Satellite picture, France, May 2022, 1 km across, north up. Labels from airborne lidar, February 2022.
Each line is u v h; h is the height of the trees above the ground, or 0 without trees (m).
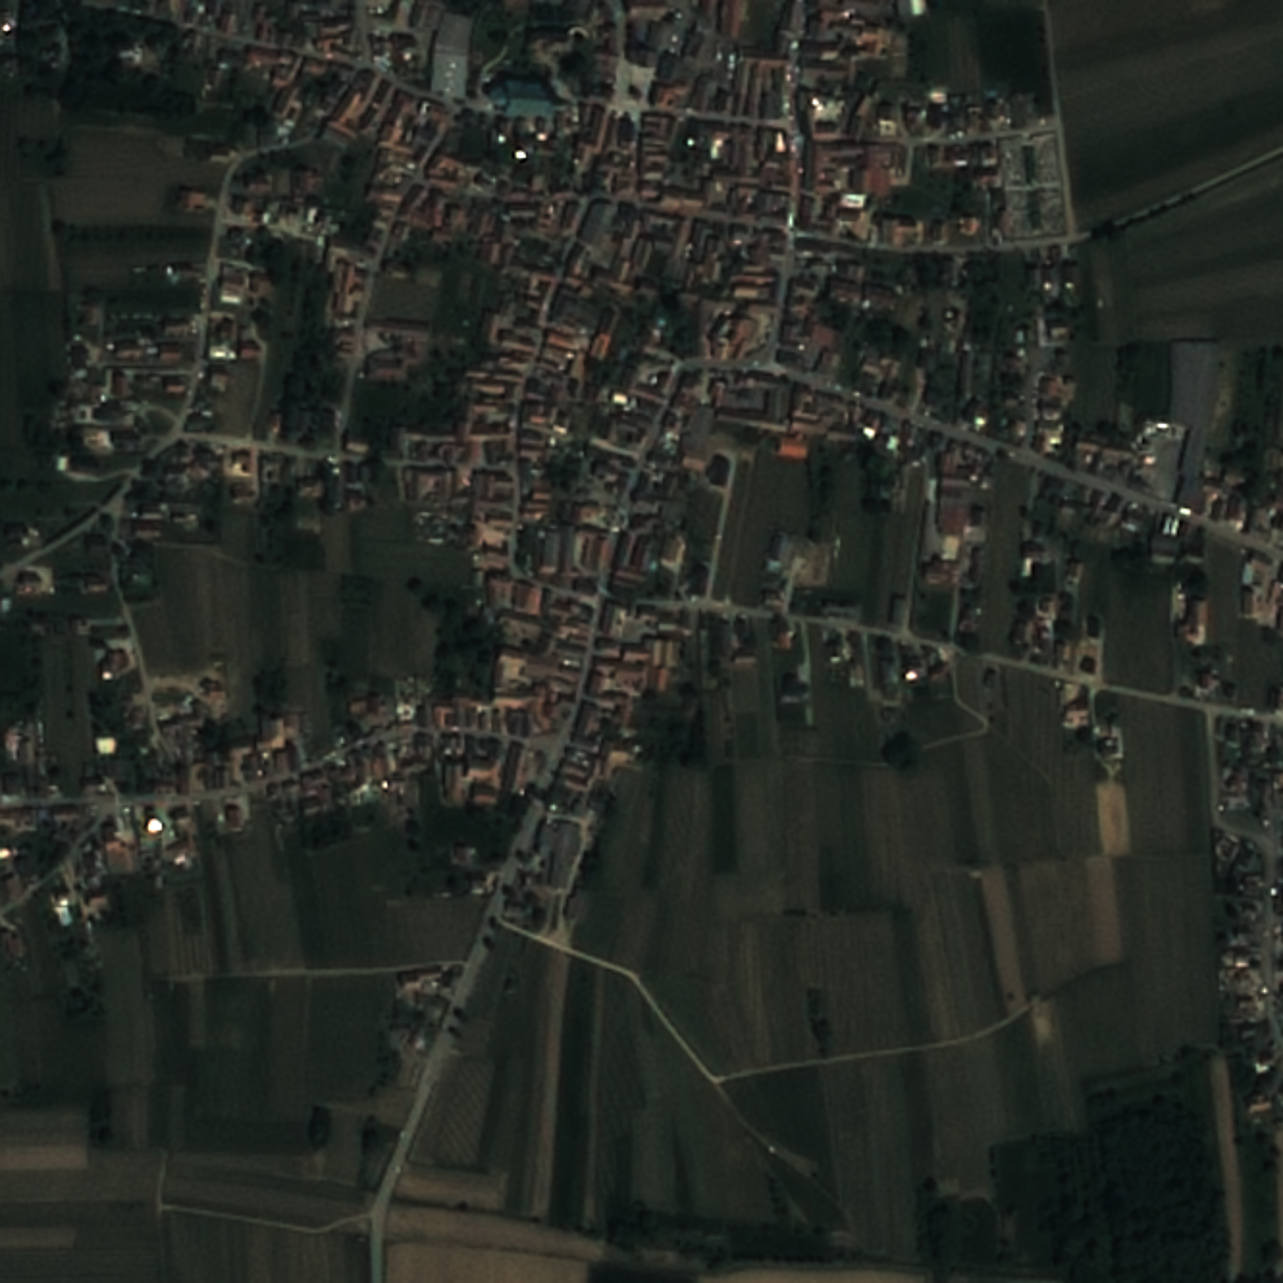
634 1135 0
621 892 0
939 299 0
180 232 0
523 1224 0
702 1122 0
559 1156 0
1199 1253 14
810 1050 0
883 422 0
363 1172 0
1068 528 0
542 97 0
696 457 0
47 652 0
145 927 0
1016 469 0
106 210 0
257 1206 0
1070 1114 0
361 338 0
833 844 0
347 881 0
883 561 0
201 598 0
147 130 0
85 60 15
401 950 0
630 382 0
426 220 0
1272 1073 7
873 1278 0
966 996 0
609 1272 0
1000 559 0
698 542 0
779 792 0
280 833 0
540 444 0
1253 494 12
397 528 0
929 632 0
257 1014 0
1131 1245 17
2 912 0
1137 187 0
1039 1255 0
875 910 0
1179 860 0
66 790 0
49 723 0
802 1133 0
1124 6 0
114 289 0
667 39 0
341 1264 0
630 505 0
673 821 0
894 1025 0
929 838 0
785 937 0
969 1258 0
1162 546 0
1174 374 0
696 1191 0
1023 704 0
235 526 0
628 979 0
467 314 0
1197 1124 13
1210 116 0
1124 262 0
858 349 0
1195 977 0
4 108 0
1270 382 0
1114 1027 0
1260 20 0
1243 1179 0
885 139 0
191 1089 0
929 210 0
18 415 0
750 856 0
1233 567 0
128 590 7
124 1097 0
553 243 0
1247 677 0
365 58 0
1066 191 0
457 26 0
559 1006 0
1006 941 0
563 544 0
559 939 0
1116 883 0
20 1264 0
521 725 0
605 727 11
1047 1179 0
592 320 0
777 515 0
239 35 0
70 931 0
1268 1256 9
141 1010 0
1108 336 0
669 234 0
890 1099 0
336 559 0
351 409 0
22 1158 0
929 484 0
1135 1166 17
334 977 0
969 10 0
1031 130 0
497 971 0
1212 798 0
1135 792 0
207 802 0
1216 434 0
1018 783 0
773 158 0
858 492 0
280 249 15
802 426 0
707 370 0
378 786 0
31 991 0
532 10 7
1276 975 0
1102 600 0
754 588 0
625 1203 0
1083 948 0
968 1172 0
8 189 0
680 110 0
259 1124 0
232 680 0
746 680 0
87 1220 0
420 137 0
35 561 0
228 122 0
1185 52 0
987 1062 0
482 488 0
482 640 11
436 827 0
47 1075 0
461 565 0
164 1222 0
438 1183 0
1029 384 0
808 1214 0
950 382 0
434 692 0
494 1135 0
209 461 0
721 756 0
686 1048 0
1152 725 0
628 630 0
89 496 0
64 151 7
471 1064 0
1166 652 0
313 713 0
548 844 0
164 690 0
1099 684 0
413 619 0
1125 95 0
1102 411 0
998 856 0
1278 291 0
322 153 0
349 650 0
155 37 12
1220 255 0
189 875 0
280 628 0
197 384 0
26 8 8
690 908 0
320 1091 0
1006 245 0
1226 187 0
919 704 0
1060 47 0
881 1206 0
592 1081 0
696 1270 0
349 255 0
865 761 0
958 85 0
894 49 0
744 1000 0
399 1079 0
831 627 0
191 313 0
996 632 0
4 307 0
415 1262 0
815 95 0
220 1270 0
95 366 0
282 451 0
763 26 0
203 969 0
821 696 0
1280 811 0
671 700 0
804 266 0
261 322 10
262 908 0
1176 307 0
